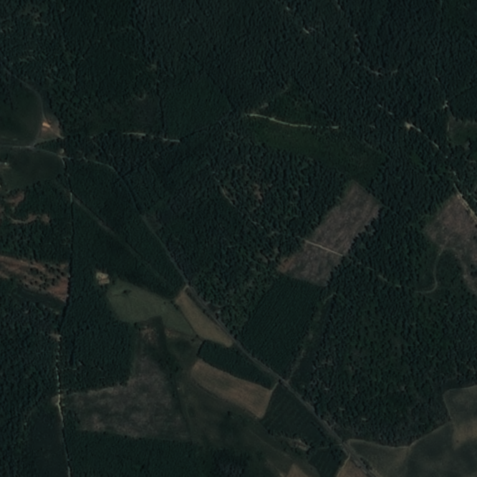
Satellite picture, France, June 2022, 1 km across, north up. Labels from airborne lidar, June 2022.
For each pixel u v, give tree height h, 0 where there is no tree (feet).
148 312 0
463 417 0
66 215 31
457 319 44
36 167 0
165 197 86
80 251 51
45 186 19
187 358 0
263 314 49
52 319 59
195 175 82
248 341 38
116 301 0
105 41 46
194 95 42
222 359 52
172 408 0
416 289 41
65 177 36
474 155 51
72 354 38
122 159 71
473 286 0
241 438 0
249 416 0
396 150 81
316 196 54
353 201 0
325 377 45
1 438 61
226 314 30
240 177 57
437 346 28
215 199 24
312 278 0
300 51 75
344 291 44
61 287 0
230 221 67
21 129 0
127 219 42
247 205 63
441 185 77
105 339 98
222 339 0
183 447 59
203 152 67
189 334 0
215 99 41
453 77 71
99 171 45
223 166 45
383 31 119
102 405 0
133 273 39
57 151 33
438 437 0
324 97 70
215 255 23
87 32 63
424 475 0
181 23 77
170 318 0
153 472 66
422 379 42
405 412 34
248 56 75
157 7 66
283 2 68
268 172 57
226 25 78
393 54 87
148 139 46
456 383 0
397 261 71
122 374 56
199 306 0
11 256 58
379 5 109
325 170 74
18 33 53
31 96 0
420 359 66
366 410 49
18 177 0
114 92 51
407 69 72
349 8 86
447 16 38
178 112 46
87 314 100
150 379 0
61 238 52
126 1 19
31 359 37
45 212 52
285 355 37
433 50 71
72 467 48
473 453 0
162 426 0
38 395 69
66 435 51
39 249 52
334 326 64
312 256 0
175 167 66
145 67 21
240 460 38
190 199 59
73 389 51
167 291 41
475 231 0
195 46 75
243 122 55
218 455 32
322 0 92
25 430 35
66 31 60
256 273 21
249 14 66
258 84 75
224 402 0
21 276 0
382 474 0
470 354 58
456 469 0
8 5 31
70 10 41
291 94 33
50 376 53
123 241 0
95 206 35
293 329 43
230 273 70
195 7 84
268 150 67
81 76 58
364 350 66
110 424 0
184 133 44
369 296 52
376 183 72
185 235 33
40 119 0
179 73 69
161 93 65
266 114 20
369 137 73
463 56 80
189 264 49
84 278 95
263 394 0
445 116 58
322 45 80
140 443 53
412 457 0
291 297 46
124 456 67
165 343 0
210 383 0
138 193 106
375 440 22
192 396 0
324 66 75
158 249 48
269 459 0
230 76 85
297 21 84
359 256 78
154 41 77
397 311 63
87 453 54
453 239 0
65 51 35
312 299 42
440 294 0
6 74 45
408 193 76
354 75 88
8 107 0
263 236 60
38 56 37
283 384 52
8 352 27
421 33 68
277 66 86
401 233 60
